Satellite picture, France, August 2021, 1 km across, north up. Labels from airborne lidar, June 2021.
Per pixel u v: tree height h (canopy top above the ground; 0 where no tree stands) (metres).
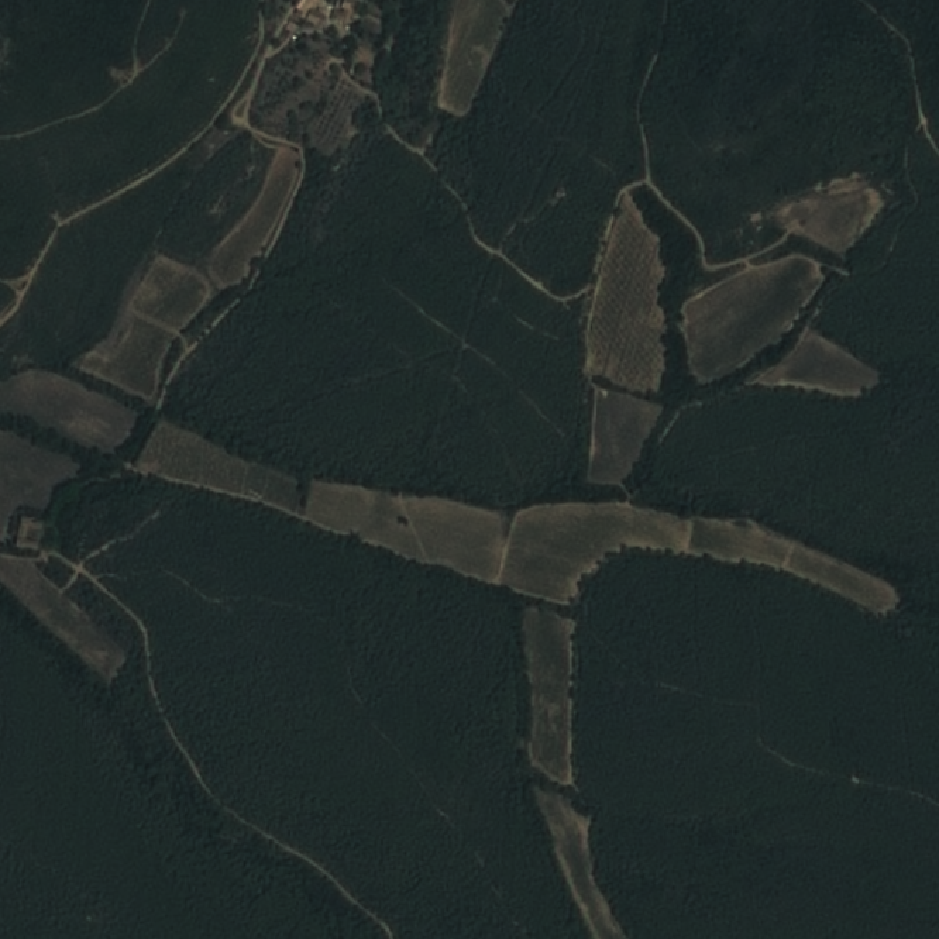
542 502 10
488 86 6
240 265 0
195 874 8
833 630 5
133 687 9
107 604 6
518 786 10
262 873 9
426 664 6
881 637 7
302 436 7
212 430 10
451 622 6
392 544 0
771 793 5
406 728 6
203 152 0
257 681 6
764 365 11
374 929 9
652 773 6
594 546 0
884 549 6
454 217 6
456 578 10
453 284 9
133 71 0
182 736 8
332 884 6
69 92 0
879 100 7
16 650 6
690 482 6
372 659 7
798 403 6
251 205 0
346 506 0
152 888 6
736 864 6
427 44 6
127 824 6
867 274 6
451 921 6
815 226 0
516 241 6
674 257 12
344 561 6
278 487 0
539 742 0
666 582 6
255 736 6
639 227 0
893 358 6
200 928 6
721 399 5
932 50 8
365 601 6
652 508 8
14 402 0
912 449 5
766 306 0
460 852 5
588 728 6
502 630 7
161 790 14
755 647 6
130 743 6
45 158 0
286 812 6
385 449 6
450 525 0
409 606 9
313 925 13
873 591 0
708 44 6
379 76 11
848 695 6
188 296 0
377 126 6
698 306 0
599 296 0
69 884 7
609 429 0
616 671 6
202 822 12
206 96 0
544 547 0
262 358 6
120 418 0
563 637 0
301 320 7
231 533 5
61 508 9
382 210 5
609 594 6
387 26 13
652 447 10
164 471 0
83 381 9
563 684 0
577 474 9
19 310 0
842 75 8
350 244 6
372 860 5
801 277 0
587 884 0
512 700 11
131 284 0
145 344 0
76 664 8
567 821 0
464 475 6
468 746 8
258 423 5
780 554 0
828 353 0
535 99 6
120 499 7
